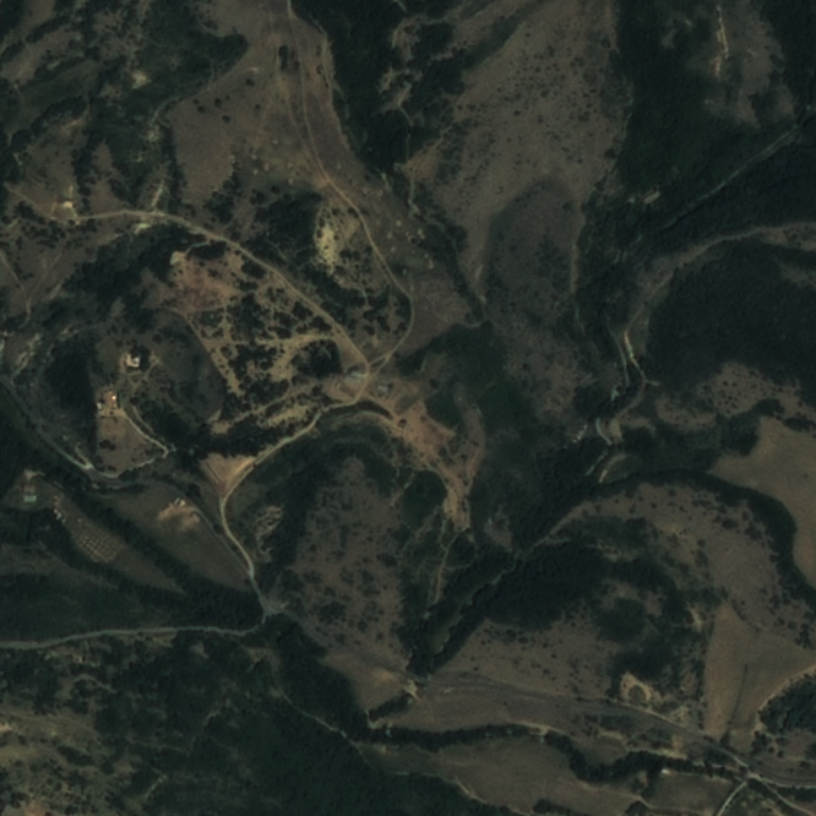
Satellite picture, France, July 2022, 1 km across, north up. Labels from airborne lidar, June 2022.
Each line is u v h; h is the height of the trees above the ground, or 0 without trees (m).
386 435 0
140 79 0
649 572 8
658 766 15
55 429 0
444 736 8
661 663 7
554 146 0
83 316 8
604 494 9
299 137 0
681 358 7
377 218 0
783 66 10
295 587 6
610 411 10
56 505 0
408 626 7
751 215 7
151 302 0
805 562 0
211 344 0
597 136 0
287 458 6
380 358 0
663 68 16
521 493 6
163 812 0
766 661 0
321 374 10
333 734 8
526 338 0
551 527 7
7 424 11
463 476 0
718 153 14
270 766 6
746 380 0
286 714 6
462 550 17
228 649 8
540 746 0
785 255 8
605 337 12
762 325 5
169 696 6
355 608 0
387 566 6
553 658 6
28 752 0
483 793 0
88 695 10
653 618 8
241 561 0
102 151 0
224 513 0
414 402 0
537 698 0
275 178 0
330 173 0
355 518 0
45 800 0
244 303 10
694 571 0
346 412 0
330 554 0
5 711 0
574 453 6
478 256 0
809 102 9
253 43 0
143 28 7
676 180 11
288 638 14
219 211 6
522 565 15
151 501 0
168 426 11
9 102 6
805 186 11
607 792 0
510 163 0
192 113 0
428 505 6
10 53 8
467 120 0
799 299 7
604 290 11
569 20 0
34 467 12
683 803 0
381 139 11
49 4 0
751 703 0
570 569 13
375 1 11
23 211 11
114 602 6
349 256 6
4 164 10
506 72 0
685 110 8
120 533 9
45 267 0
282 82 0
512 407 9
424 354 6
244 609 13
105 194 0
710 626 0
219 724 7
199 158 0
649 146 18
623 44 8
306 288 0
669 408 0
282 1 0
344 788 7
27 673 9
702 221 8
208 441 9
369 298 7
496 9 0
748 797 0
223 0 0
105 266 8
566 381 0
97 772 0
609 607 0
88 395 10
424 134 9
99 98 6
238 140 0
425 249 8
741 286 6
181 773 0
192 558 0
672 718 0
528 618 7
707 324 7
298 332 7
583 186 0
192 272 0
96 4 6
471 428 0
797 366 7
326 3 10
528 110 0
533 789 0
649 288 0
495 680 0
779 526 8
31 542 10
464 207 0
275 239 8
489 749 0
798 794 7
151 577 0
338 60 10
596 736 0
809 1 11
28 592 6
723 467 0
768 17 7
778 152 7
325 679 14
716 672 0
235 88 0
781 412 7
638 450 11
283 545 6
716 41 0
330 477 6
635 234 14
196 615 9
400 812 9
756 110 8
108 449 7
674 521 0
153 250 7
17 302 0
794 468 0
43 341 7
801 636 8
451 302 0
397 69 7
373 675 0
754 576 0
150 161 0
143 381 6
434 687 0
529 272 0
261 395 8
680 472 6
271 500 7
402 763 0
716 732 0
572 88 0
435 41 13
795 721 13
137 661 5
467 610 13
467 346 9
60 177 0
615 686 7
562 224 0
